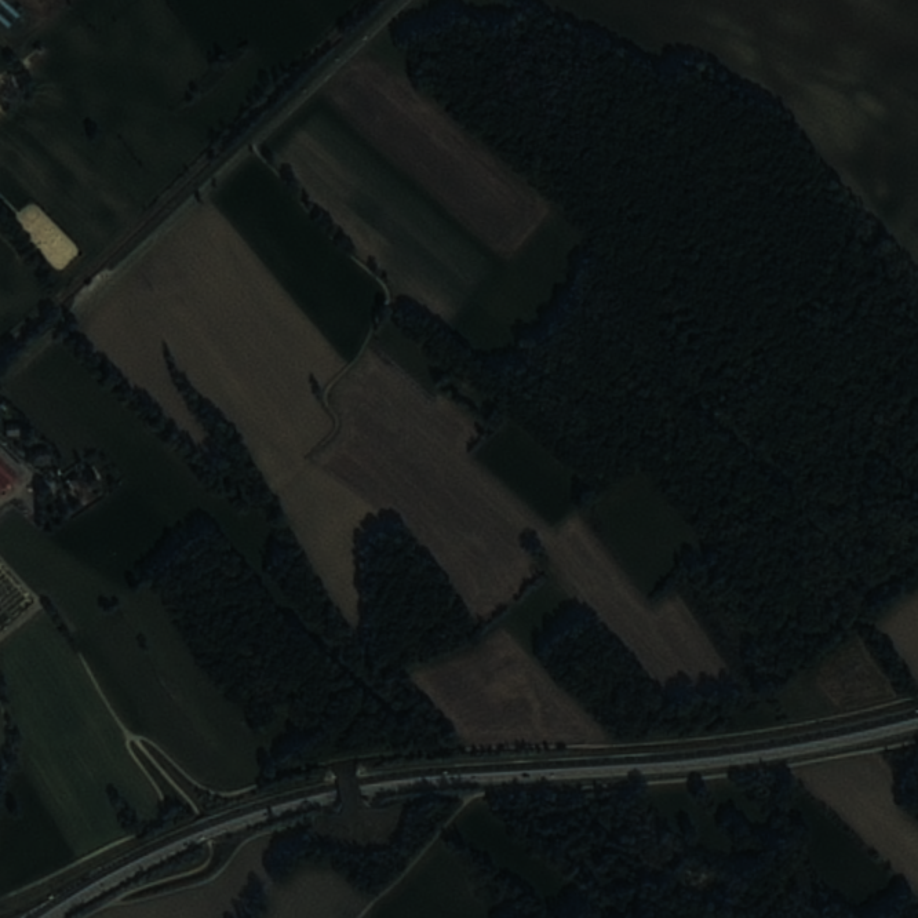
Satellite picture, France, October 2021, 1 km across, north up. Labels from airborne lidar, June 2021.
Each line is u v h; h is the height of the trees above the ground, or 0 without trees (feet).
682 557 0
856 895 0
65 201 0
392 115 0
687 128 91
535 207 0
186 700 0
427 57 63
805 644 71
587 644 78
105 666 0
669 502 64
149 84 0
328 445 0
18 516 0
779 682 49
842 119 0
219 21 0
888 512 75
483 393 60
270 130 0
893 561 60
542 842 33
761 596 69
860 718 0
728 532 69
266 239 0
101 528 0
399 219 0
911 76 0
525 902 62
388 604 69
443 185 0
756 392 75
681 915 83
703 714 54
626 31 0
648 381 70
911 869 0
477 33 77
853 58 0
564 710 0
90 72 0
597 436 79
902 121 0
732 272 72
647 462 73
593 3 0
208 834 0
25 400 0
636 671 66
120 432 0
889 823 0
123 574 0
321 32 0
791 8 0
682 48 0
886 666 62
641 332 57
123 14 0
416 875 0
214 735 0
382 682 91
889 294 84
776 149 88
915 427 50
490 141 63
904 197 0
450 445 0
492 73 83
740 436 31
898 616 0
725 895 63
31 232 0
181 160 0
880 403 59
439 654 45
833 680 0
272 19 0
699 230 78
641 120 72
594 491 52
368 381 0
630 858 41
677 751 0
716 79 61
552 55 76
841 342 76
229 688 75
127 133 0
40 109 0
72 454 0
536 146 70
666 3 0
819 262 85
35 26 0
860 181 0
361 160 0
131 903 0
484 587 0
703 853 0
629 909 41
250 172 0
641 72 72
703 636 0
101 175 0
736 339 77
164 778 0
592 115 73
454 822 0
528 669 0
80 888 0
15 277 0
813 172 69
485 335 0
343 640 62
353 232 0
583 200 77
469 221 0
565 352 71
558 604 0
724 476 78
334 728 75
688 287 78
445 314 0
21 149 0
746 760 0
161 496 0
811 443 66
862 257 87
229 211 0
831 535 46
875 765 0
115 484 27
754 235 85
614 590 0
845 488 71
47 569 0
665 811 0
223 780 0
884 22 0
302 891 0
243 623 78
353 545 0
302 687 73
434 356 62
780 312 81
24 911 0
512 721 0
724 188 82
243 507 72
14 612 0
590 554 0
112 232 0
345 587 0
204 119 0
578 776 0
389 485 0
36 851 0
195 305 0
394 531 55
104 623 0
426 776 0
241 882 0
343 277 0
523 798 43
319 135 0
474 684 0
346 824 0
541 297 0
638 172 83
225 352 0
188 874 0
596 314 66
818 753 0
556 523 0
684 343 54
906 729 0
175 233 0
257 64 0
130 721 0
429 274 0
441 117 0
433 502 0
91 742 0
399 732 72
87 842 0
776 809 59
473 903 0
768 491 82
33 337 46
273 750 0
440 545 0
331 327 0
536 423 73
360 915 0
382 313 44
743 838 77
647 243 67
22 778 0
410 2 0
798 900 47
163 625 0
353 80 0
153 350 0
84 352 52
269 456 0
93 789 0
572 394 85
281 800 0
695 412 57
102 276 0
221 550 73
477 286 0
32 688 0
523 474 0
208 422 66
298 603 70
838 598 50
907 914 71
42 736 0
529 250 0
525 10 71
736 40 0
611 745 0
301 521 0
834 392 66
